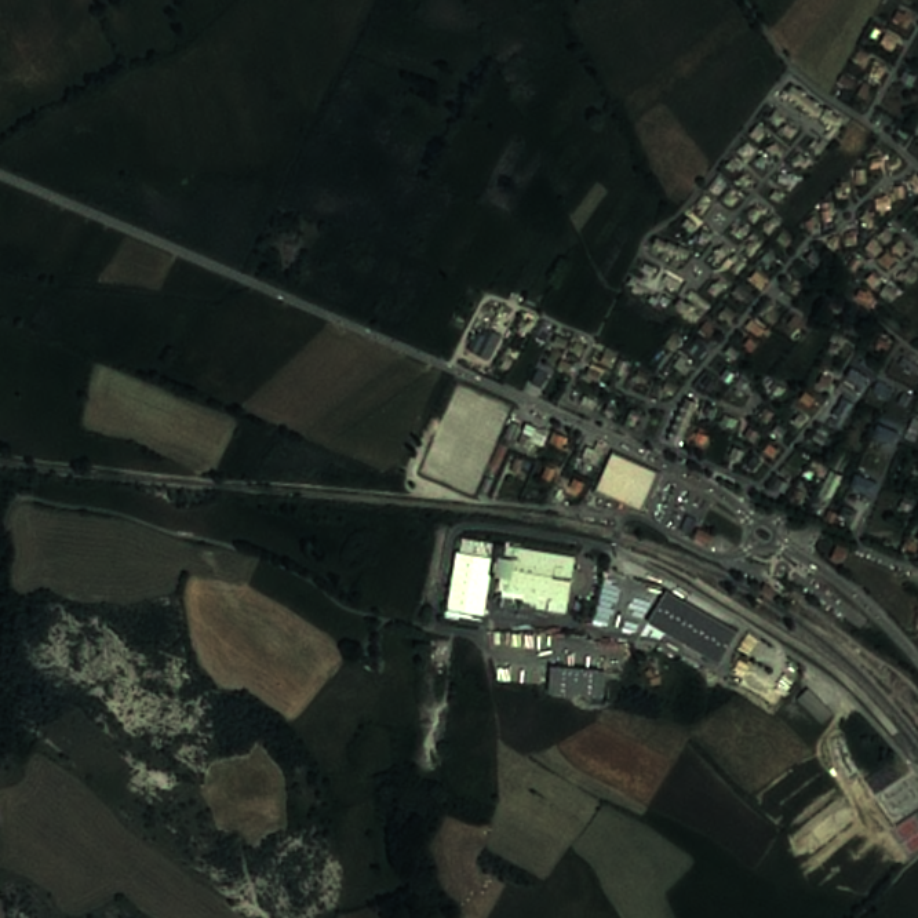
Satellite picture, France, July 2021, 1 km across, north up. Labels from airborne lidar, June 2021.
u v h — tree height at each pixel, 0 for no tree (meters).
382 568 0
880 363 11
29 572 0
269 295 0
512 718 0
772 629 0
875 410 8
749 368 15
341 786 0
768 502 11
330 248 0
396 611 0
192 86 0
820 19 0
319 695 0
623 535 0
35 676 10
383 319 0
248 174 0
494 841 0
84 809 0
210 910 0
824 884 0
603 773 0
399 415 0
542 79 0
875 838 0
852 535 11
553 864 0
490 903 0
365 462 0
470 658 0
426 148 0
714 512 0
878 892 14
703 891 0
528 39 0
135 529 0
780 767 0
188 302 0
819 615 0
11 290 0
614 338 0
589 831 0
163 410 0
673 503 0
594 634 0
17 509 0
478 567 0
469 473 0
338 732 0
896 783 0
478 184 0
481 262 0
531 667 0
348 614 0
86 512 8
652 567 0
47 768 0
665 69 0
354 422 0
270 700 0
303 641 0
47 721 9
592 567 0
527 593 0
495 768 0
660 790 0
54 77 0
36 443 0
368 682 0
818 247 8
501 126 0
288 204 0
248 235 0
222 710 6
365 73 0
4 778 0
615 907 0
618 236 0
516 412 0
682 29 0
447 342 0
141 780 0
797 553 0
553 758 0
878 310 7
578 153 0
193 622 0
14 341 0
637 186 0
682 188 0
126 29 0
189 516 0
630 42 0
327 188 0
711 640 0
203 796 0
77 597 0
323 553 18
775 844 0
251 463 0
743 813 0
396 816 19
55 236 0
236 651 0
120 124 0
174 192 0
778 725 0
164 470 0
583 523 0
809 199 0
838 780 0
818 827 0
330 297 0
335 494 0
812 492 8
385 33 0
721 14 0
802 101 0
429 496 0
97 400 0
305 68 0
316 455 0
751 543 0
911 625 0
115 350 0
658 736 0
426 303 0
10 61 0
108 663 0
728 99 0
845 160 0
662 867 0
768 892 0
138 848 0
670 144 0
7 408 0
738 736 0
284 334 0
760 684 0
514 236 0
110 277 0
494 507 0
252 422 16
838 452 16
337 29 0
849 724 0
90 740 0
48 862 0
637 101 0
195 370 0
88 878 0
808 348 0
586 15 0
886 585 0
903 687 0
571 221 0
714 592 0
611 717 0
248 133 0
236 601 0
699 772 0
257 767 0
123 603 0
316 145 0
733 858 0
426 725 0
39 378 0
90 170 0
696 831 0
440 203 0
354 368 0
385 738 0
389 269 0
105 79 22
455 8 0
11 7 0
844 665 0
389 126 0
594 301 0
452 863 0
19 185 0
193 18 0
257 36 0
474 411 0
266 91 0
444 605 11
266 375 0
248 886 0
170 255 0
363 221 0
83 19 0
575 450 7
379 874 11
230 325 0
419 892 8
